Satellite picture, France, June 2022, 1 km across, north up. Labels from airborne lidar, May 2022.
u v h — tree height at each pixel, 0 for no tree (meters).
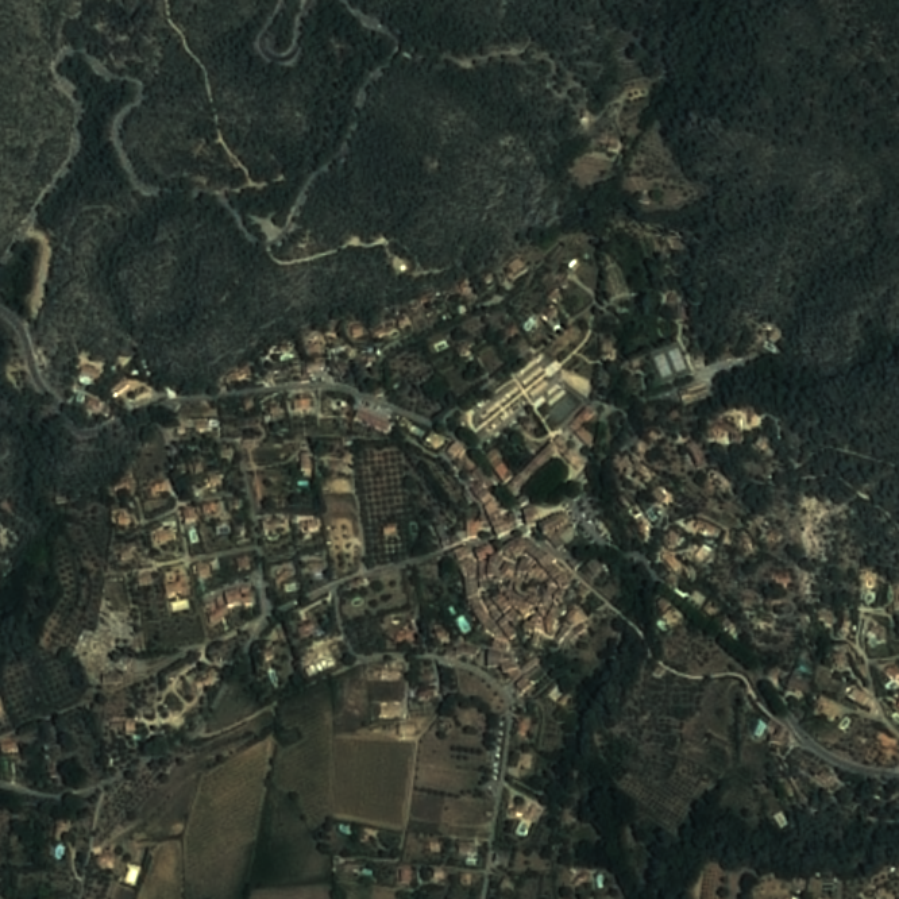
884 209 8
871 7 6
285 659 6
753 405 7
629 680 12
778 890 0
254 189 7
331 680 6
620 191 13
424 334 8
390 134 7
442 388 16
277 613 13
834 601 12
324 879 0
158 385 12
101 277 8
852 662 6
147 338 6
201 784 0
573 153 15
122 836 0
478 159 6
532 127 11
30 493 14
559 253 0
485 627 0
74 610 8
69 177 11
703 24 19
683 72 25
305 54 10
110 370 12
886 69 12
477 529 0
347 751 0
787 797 14
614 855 28
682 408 7
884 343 15
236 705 0
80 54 9
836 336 8
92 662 0
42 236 0
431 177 7
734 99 8
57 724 17
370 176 6
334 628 15
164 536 0
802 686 0
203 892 0
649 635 8
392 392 9
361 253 8
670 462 6
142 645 0
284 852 0
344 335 13
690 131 9
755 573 15
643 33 15
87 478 7
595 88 11
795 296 15
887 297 8
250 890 9
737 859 24
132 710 8
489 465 14
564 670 17
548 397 0
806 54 10
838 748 6
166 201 12
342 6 14
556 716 11
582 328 9
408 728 0
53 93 7
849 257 13
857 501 7
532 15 9
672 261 10
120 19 10
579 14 8
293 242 7
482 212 6
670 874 23
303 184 11
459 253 9
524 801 9
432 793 7
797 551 18
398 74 7
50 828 6
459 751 7
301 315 7
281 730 6
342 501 0
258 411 8
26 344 0
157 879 0
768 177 0
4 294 12
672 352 0
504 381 12
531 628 0
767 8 12
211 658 13
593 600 8
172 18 6
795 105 11
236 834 0
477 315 14
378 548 7
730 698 0
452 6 7
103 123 12
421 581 7
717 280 13
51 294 11
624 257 0
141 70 9
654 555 9
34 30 0
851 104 13
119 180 8
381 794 0
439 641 12
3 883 8
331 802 0
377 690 0
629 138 11
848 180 0
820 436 13
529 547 0
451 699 14
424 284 8
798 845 16
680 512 11
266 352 9
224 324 6
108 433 7
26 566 23
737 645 21
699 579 8
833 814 17
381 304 9
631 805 21
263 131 7
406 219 11
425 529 8
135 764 9
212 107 7
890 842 21
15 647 24
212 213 11
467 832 0
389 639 6
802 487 11
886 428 8
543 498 14
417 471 7
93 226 6
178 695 0
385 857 13
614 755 9
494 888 9
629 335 13
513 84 7
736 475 15
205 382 8
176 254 9
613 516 9
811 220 9
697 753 0
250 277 7
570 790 21
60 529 20
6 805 20
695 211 14
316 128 10
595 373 6
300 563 6
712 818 19
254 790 0
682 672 10
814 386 10
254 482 13
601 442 12
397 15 11
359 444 7
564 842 8
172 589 0
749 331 11
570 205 13
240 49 10
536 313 7
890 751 0
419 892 10
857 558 8
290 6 9
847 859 26
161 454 0
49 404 16
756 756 0
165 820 0
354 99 11
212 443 10
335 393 6
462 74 9
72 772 18
